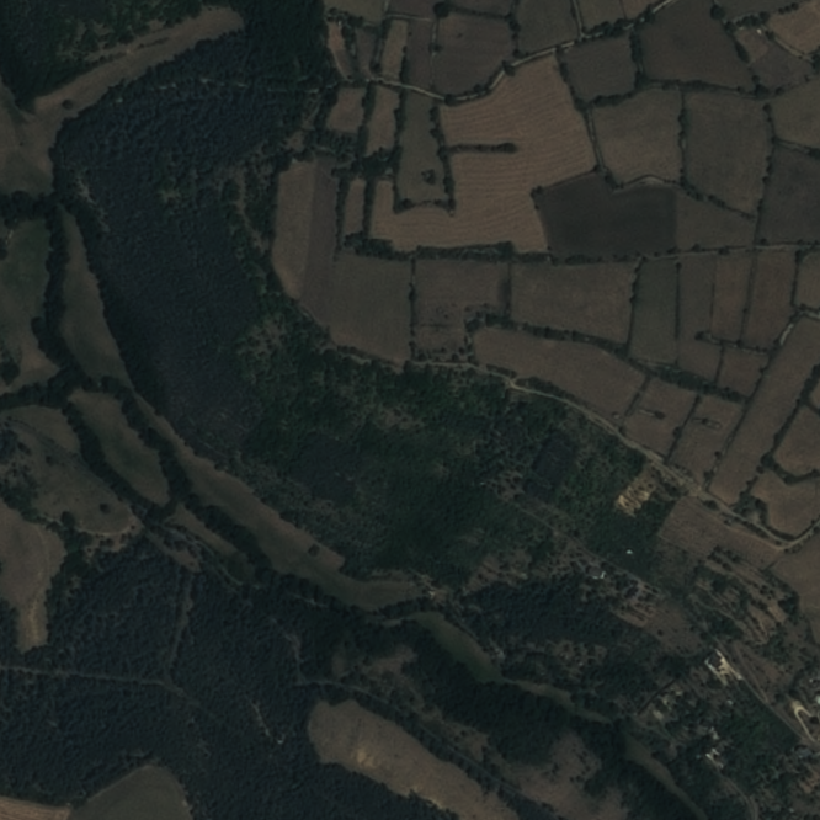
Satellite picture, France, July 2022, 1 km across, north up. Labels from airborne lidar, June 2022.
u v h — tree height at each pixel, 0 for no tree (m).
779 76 0
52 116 0
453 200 6
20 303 0
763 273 0
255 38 16
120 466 0
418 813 15
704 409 0
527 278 0
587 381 0
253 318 6
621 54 0
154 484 0
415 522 6
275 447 11
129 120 10
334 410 10
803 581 0
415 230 0
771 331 0
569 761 0
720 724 6
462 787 0
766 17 9
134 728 15
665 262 0
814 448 0
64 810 0
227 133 18
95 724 14
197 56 21
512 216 0
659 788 17
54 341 24
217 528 17
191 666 12
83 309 0
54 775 18
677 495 8
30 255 0
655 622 0
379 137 0
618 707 12
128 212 8
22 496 6
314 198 0
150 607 9
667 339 0
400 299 0
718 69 0
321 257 0
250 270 11
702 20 0
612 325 0
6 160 0
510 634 17
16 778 15
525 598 17
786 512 0
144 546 19
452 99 11
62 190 16
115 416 0
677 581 0
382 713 13
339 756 0
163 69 15
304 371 9
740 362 0
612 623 17
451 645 0
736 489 0
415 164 0
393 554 7
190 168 12
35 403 12
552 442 17
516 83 0
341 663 0
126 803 0
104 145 11
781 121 0
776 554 0
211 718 12
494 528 6
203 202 12
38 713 13
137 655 13
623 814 0
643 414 0
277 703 16
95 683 13
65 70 11
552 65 0
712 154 0
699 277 0
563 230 0
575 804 0
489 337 0
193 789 7
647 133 0
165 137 10
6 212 26
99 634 10
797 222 0
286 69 11
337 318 0
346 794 17
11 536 0
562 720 17
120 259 9
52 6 8
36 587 0
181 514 0
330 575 0
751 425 0
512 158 0
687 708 10
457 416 13
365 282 0
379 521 8
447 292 0
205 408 9
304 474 12
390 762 0
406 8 0
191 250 10
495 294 0
